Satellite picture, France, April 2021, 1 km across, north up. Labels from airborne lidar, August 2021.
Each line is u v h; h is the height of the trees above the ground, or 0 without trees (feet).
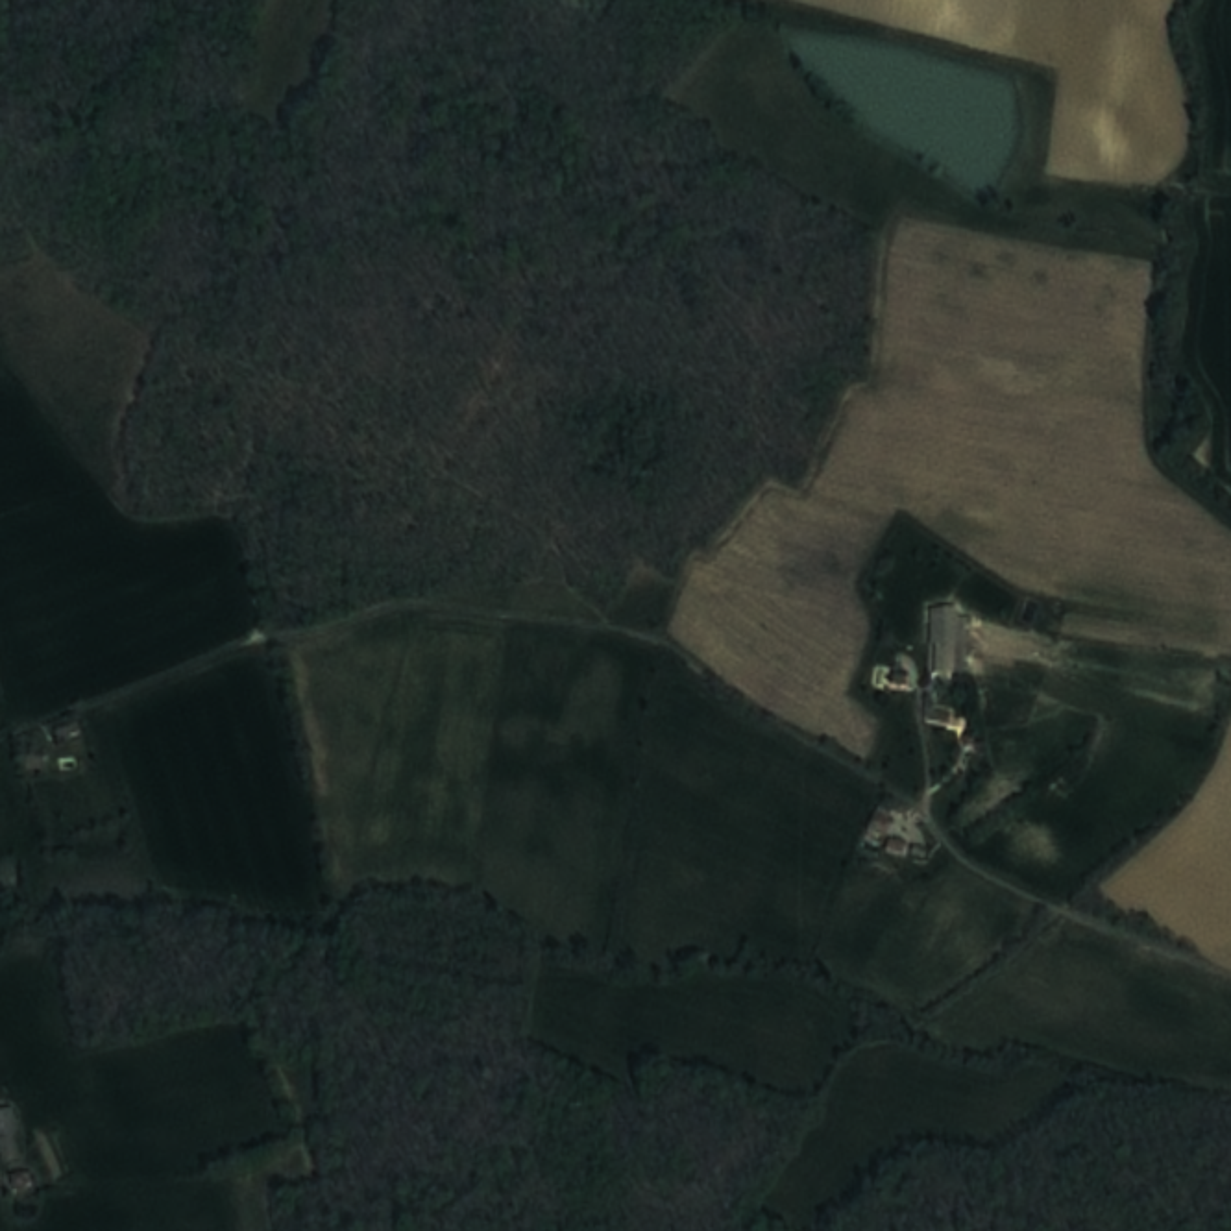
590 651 0
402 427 48
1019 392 0
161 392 52
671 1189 65
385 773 0
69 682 0
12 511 0
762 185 68
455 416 53
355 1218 53
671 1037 0
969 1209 43
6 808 0
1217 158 0
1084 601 0
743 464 67
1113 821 0
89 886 0
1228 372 0
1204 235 0
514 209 70
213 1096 0
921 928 0
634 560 59
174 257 46
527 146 78
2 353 0
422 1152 62
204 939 64
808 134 0
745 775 0
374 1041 64
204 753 0
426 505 69
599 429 70
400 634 0
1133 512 0
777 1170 47
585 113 68
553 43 56
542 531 62
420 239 73
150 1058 0
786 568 0
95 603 0
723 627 0
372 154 64
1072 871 0
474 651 0
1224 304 0
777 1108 50
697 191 63
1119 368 0
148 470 47
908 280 0
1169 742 0
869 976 0
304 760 52
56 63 82
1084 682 0
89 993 30
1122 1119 61
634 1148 60
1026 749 0
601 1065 0
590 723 0
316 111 77
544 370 51
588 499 56
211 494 64
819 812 0
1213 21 0
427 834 0
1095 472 0
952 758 26
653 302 58
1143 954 0
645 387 70
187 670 0
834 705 0
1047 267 0
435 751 0
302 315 55
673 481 67
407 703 0
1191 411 83
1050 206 0
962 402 0
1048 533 0
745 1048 0
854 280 41
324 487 58
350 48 44
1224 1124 29
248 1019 73
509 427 47
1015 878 0
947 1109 0
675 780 0
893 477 0
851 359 39
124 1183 0
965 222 0
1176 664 0
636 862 0
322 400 34
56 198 65
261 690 0
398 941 50
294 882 0
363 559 55
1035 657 0
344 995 69
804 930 0
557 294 54
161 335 37
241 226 58
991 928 0
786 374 52
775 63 0
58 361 0
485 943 49
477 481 52
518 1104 51
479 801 0
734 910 0
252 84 59
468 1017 52
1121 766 0
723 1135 65
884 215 0
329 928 27
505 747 0
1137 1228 76
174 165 79
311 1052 54
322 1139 56
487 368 48
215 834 0
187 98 73
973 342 0
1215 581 0
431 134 58
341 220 68
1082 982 0
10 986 0
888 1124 0
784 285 54
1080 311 0
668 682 0
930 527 0
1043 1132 60
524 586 36
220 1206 0
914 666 0
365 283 37
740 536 0
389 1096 63
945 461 0
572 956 51
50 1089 0
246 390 55
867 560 0
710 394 54
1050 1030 0
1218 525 0
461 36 55
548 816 0
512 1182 55
